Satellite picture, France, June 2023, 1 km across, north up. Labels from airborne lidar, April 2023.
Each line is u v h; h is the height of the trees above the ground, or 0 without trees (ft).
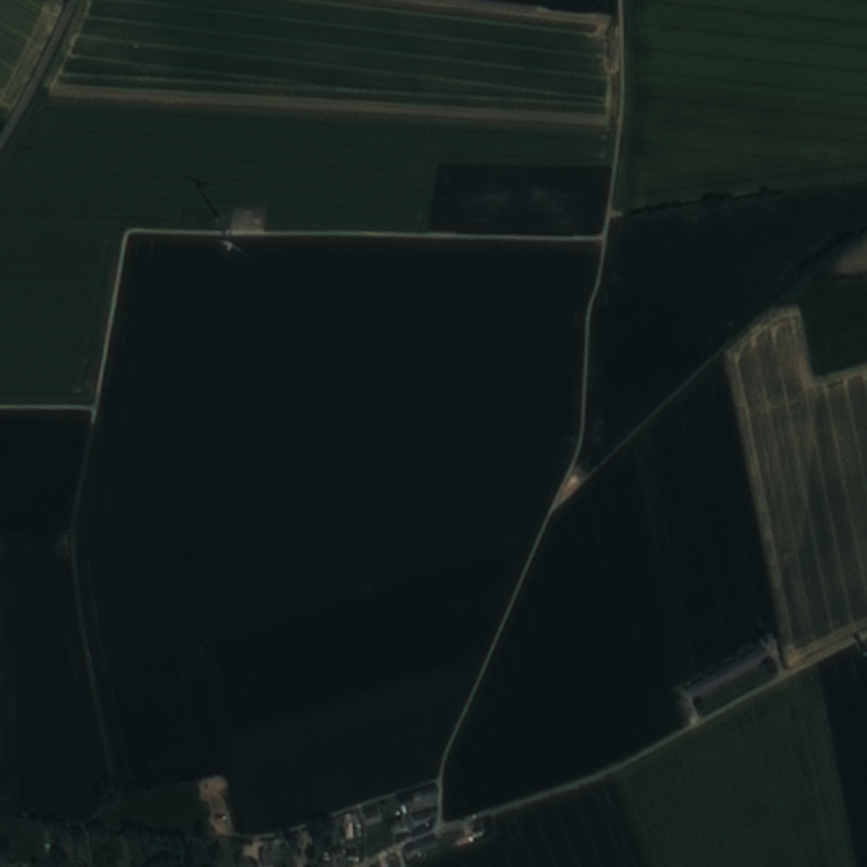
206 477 0
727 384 0
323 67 0
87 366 0
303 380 0
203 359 0
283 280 0
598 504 0
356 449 0
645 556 0
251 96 0
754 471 0
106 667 0
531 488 0
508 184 0
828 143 0
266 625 0
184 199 0
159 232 0
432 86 0
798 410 0
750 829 0
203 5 0
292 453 0
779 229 0
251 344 0
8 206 0
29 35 0
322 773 0
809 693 0
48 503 0
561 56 0
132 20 0
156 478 0
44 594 0
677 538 0
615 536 0
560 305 0
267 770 0
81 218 0
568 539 0
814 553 0
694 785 0
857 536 0
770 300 0
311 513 0
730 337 0
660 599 0
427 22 0
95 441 0
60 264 0
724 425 0
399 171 0
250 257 0
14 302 0
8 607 0
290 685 0
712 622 0
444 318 0
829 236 0
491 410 0
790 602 0
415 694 0
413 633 0
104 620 0
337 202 0
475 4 0
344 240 0
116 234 0
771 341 0
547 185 0
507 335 0
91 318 0
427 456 0
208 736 0
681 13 0
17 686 0
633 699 0
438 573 0
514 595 0
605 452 0
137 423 0
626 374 0
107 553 0
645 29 0
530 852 0
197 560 0
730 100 0
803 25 0
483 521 0
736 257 0
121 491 0
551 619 0
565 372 0
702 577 0
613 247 0
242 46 0
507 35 0
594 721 0
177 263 0
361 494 0
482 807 0
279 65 0
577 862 0
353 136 0
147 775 0
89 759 0
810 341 0
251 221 0
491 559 0
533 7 0
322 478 0
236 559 0
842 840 0
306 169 0
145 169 0
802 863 0
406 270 0
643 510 0
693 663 0
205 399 0
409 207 0
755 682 0
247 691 0
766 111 0
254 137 0
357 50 0
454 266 0
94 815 0
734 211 0
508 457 0
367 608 0
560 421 0
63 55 0
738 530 0
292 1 0
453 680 0
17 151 0
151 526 0
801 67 0
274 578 0
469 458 0
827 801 0
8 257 0
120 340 0
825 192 0
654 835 0
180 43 0
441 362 0
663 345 0
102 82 0
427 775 0
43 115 0
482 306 0
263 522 0
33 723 0
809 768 0
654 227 0
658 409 0
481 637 0
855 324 0
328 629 0
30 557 0
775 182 0
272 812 0
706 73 0
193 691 0
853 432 0
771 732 0
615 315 0
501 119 0
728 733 0
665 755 0
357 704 0
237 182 0
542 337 0
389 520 0
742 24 0
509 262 0
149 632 0
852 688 0
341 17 0
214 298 0
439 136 0
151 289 0
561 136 0
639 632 0
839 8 0
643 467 0
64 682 0
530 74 0
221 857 48
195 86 0
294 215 0
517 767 0
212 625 0
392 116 0
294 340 0
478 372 0
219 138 0
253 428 0
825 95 0
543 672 0
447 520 0
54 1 0
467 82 0
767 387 0
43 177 0
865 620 0
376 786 0
